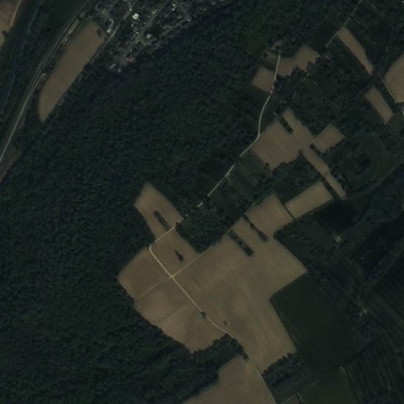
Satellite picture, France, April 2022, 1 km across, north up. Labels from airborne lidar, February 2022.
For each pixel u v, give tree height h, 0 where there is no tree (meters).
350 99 7
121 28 6
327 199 0
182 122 21
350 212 0
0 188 16
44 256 23
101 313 13
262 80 0
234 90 10
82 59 0
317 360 0
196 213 7
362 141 0
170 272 0
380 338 0
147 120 22
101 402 26
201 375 20
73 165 23
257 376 0
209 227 9
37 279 24
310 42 15
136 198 20
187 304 0
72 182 27
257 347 0
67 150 19
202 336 0
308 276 0
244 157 0
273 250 0
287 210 0
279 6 17
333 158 0
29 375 10
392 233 0
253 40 0
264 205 0
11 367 14
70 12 0
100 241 18
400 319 0
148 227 17
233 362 0
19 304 24
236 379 0
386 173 0
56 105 0
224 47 24
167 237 0
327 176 0
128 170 18
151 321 0
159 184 0
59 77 0
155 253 0
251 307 0
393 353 0
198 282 0
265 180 10
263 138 0
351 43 0
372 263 0
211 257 0
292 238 0
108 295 12
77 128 20
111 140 26
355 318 16
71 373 19
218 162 0
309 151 0
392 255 19
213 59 29
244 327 0
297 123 0
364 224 0
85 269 15
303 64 0
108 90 23
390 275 0
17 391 15
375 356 0
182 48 23
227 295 0
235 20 24
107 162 25
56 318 18
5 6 0
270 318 0
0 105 0
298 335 0
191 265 0
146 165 20
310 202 0
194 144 6
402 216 0
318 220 0
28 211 30
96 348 24
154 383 0
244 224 0
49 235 25
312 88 0
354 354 0
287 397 0
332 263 0
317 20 20
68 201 27
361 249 0
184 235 8
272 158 0
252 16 20
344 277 0
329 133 0
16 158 0
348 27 0
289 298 0
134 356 21
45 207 23
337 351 0
